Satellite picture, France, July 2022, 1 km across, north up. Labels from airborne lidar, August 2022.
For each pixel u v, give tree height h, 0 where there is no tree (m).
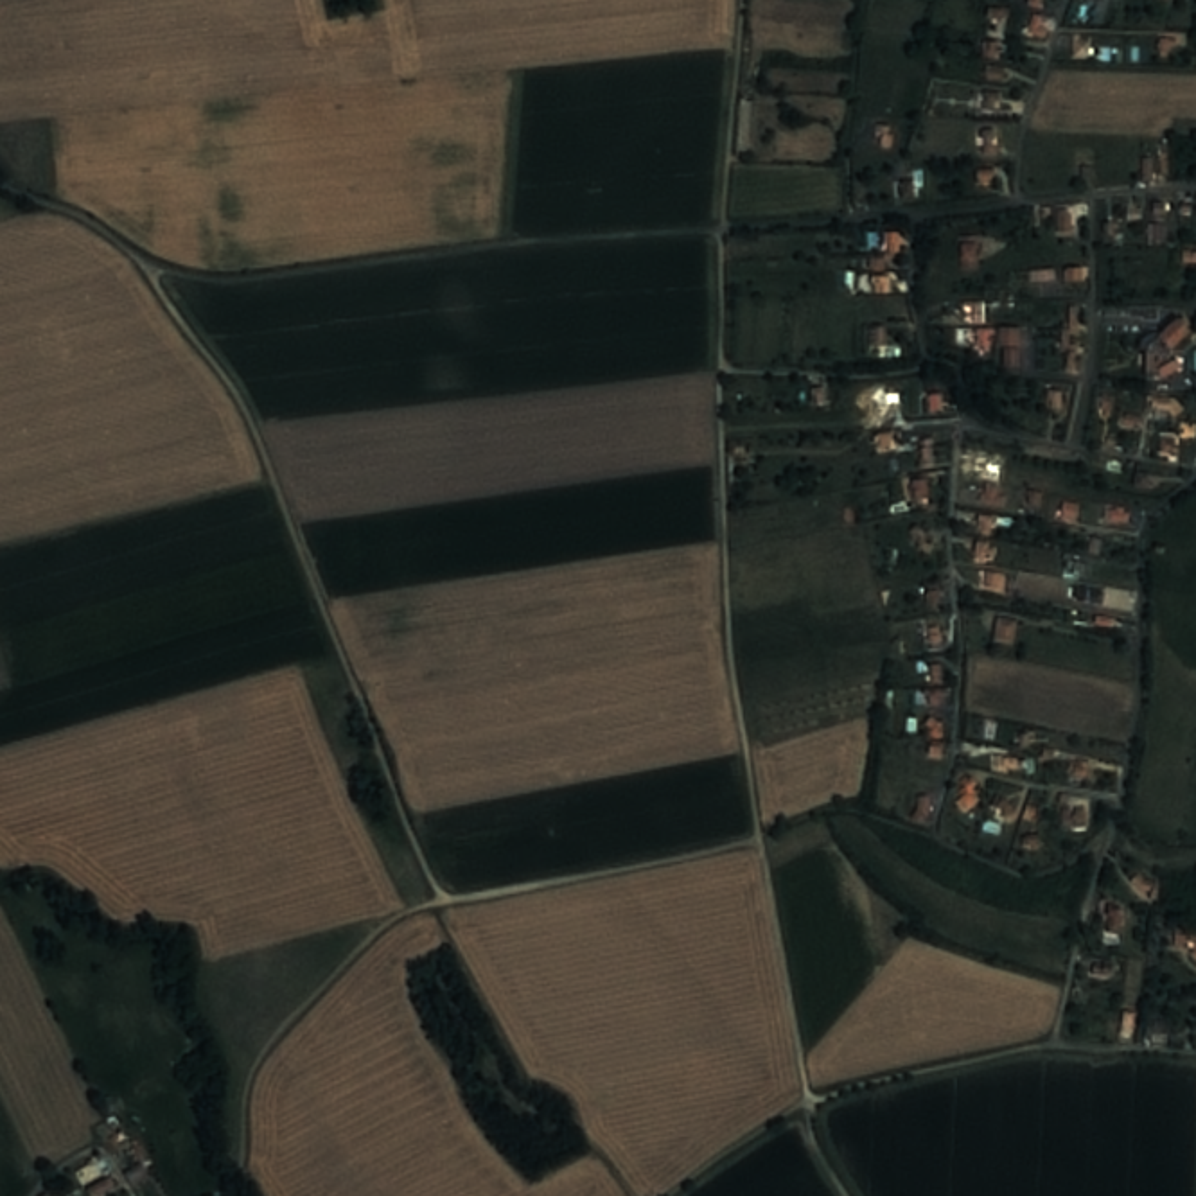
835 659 0
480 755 0
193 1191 0
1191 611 0
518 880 0
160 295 0
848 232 8
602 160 0
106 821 0
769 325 0
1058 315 0
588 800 0
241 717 0
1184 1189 0
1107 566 0
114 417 0
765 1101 0
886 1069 0
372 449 0
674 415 0
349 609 0
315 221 0
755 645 0
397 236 0
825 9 0
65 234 0
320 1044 0
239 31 0
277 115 0
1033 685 0
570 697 0
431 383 0
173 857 0
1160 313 0
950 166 15
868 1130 0
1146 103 0
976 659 0
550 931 0
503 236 0
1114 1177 0
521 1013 0
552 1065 0
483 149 0
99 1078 0
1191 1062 0
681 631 0
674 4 0
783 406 7
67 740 0
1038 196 0
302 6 0
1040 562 0
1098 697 0
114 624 0
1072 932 10
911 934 8
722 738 0
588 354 0
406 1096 0
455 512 0
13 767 0
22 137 0
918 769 0
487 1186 0
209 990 0
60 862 0
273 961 0
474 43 0
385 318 0
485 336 0
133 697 0
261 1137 0
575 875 0
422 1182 0
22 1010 0
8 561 0
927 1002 0
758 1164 0
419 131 0
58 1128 0
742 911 0
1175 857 0
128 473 0
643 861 0
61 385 0
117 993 0
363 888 0
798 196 0
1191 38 8
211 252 0
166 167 0
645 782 0
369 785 14
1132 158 0
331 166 0
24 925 0
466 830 0
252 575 0
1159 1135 0
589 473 0
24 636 0
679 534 0
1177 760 0
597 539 0
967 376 10
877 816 10
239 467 0
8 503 0
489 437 0
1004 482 0
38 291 0
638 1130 0
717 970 0
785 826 10
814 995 0
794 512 0
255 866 0
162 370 0
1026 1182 0
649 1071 0
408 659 0
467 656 0
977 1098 0
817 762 0
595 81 0
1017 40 13
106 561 0
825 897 0
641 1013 0
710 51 0
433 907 0
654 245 0
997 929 0
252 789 0
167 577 0
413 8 0
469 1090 12
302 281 0
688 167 0
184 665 0
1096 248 7
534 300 0
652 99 0
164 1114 0
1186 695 0
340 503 0
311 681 0
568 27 0
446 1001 24
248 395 0
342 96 0
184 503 0
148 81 0
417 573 0
